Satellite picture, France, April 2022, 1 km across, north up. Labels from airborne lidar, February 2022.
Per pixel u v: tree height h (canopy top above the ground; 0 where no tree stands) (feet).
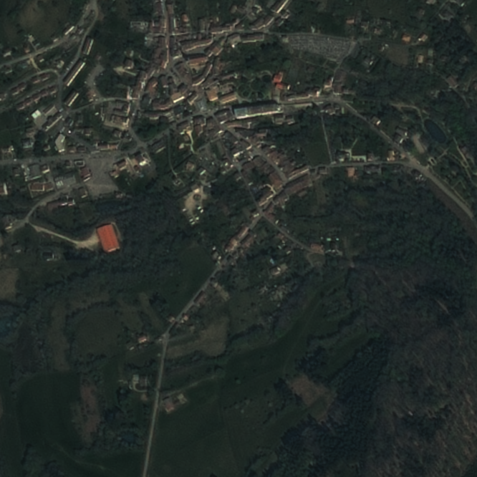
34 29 0
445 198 0
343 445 81
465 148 0
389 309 87
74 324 50
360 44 18
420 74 56
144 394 0
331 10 33
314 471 50
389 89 98
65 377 0
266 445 0
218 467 0
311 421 0
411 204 30
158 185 80
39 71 0
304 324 0
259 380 0
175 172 0
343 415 105
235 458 0
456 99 60
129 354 0
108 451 31
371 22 0
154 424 0
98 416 0
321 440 102
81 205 0
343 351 0
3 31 0
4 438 0
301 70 0
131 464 0
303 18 40
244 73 26
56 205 0
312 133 39
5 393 0
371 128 25
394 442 92
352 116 66
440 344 76
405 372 98
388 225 88
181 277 0
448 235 110
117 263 71
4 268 0
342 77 0
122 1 0
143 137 63
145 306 0
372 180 34
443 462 106
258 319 19
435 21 21
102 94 0
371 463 79
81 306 0
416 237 74
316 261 0
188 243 87
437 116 82
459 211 0
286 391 88
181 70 0
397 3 0
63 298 45
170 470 0
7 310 94
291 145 62
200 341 0
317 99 0
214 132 0
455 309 20
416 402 89
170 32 0
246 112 0
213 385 0
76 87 0
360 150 0
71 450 0
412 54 24
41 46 0
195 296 0
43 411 0
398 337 41
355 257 0
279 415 46
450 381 89
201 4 0
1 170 0
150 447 0
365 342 0
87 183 0
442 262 96
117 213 50
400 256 70
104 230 0
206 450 0
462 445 102
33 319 74
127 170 0
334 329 0
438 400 89
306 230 0
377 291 109
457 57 69
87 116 0
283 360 0
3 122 0
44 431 0
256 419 0
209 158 0
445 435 102
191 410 0
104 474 0
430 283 72
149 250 87
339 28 0
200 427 0
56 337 0
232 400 0
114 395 0
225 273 29
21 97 0
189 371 0
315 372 75
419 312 60
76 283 66
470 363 92
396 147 0
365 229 55
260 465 67
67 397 0
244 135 0
